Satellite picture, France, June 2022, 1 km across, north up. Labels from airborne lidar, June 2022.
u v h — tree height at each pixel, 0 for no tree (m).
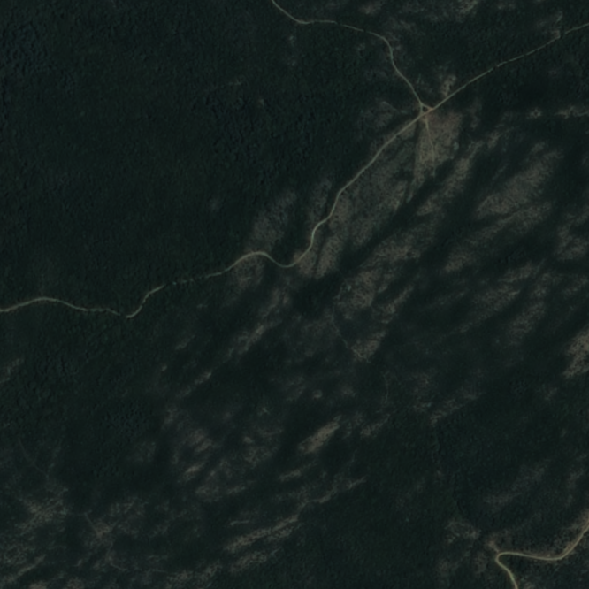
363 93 7
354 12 7
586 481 5
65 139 8
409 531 10
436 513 9
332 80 11
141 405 9
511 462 7
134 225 13
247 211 9
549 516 6
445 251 6
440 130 0
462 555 6
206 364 5
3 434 12
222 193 6
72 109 7
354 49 8
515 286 0
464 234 6
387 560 9
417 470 7
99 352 12
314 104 7
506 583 8
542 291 0
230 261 6
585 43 8
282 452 5
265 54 7
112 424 12
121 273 6
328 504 6
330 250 0
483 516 7
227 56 9
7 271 15
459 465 8
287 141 16
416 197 5
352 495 7
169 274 7
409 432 9
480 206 0
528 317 0
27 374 9
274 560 7
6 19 9
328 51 8
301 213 8
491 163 6
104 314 8
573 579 17
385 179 0
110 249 11
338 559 6
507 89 6
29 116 9
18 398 7
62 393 7
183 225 11
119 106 8
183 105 16
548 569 6
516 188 0
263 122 8
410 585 8
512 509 8
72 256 10
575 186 7
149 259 10
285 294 0
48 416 6
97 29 10
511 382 7
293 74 12
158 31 13
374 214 0
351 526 7
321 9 6
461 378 6
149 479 6
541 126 9
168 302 10
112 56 12
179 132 18
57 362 12
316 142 8
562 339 5
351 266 6
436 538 11
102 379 11
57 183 7
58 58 7
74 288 10
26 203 15
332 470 6
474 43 7
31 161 12
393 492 8
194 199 16
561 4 8
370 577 7
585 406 10
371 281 0
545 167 0
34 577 8
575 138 6
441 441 8
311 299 13
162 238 12
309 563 6
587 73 13
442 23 10
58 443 8
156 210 13
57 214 9
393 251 0
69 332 9
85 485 8
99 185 10
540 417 7
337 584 7
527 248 7
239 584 8
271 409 6
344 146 7
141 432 11
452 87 6
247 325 9
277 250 7
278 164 11
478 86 7
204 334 7
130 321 11
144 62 16
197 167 13
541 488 6
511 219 0
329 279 6
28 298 9
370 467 8
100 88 7
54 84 7
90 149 6
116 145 9
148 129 14
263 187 14
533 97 7
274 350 7
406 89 7
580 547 10
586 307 6
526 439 8
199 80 13
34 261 6
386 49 7
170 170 13
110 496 5
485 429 5
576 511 7
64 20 15
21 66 20
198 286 7
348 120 6
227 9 11
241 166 19
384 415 5
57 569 6
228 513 5
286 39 7
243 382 5
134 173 13
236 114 19
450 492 7
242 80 8
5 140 15
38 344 5
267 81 13
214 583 8
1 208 13
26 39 16
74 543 6
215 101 13
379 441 9
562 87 6
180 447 0
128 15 10
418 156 0
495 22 8
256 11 6
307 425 6
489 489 7
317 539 7
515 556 9
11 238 11
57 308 6
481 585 8
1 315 9
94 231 15
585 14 10
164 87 11
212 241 7
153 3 14
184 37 7
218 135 14
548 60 10
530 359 6
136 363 9
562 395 6
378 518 8
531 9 6
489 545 0
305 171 9
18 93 13
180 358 6
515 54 8
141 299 8
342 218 0
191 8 10
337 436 7
